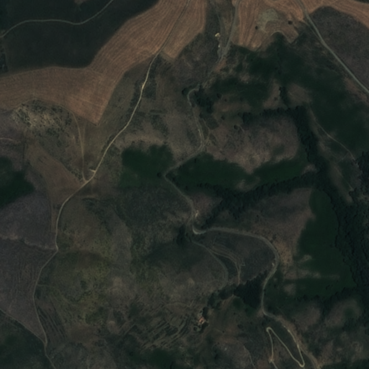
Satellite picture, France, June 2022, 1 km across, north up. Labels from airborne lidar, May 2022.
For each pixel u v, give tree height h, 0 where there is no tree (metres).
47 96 0
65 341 0
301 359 0
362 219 12
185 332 0
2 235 0
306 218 0
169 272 0
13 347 0
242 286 13
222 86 0
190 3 0
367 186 9
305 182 20
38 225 0
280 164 0
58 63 0
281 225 0
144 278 0
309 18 0
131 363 0
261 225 0
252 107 0
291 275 0
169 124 0
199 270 0
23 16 0
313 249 0
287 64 0
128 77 0
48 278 0
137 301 0
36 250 0
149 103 0
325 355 0
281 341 0
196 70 0
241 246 0
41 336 0
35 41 0
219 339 0
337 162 0
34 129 0
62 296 0
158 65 0
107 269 0
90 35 0
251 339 0
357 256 23
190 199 0
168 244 0
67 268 0
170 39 0
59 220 0
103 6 0
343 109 0
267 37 0
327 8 0
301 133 17
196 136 0
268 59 0
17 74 0
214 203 0
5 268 0
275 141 0
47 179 0
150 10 0
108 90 0
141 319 0
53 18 0
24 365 0
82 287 0
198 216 0
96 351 0
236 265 0
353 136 0
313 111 0
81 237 0
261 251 0
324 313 9
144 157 0
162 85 0
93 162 0
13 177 0
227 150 0
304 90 0
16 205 0
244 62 0
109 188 0
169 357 0
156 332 0
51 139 0
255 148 0
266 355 0
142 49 0
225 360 0
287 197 0
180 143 0
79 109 0
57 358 0
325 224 0
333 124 0
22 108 0
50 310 0
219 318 0
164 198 0
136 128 0
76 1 0
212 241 0
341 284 0
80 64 0
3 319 0
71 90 0
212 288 0
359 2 0
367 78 0
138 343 0
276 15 0
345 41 0
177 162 0
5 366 0
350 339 0
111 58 0
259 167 0
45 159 0
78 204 0
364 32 0
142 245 0
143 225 0
